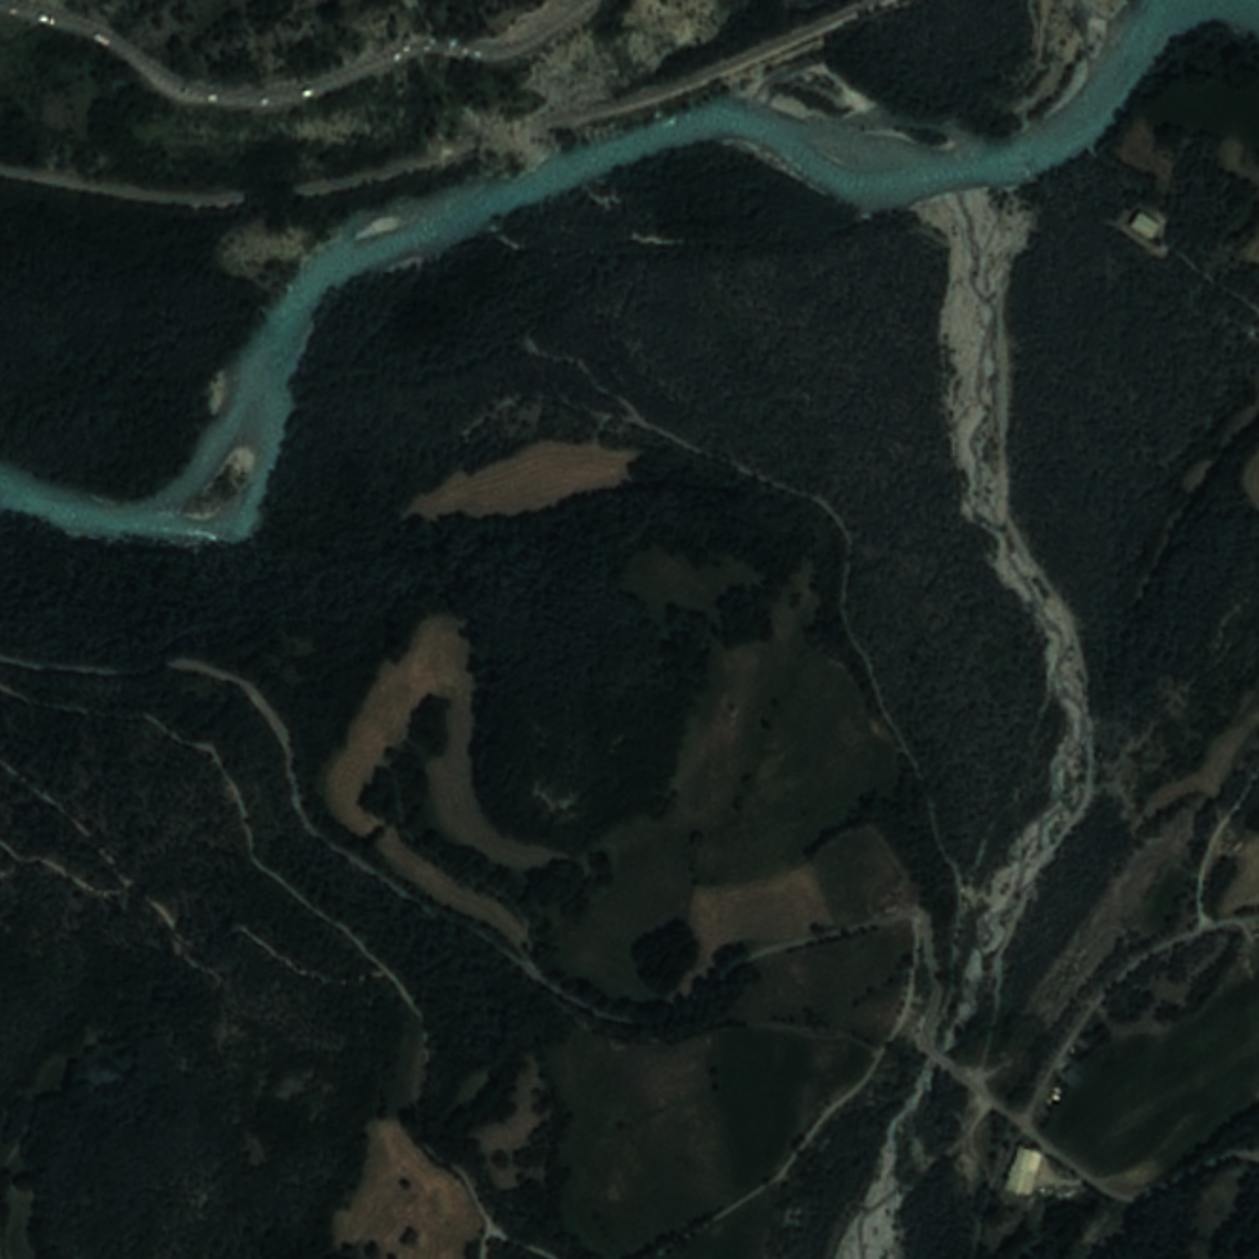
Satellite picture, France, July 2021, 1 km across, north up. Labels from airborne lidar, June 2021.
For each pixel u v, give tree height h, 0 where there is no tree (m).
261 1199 12
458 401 13
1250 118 0
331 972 10
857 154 0
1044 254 7
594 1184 0
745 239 9
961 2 7
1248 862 0
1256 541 8
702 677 14
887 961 0
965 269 0
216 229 6
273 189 9
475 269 14
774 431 8
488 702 18
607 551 9
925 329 7
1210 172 7
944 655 7
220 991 9
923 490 7
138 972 9
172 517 0
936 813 9
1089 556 8
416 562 18
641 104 0
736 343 8
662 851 0
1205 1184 13
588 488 0
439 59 8
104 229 10
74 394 19
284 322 0
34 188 13
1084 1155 0
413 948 8
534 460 0
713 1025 7
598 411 7
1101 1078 0
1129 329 9
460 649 0
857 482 7
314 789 14
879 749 0
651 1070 0
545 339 10
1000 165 0
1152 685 7
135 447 14
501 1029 15
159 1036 15
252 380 0
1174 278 8
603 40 11
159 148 8
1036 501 7
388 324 7
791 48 0
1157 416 7
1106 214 7
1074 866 5
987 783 6
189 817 6
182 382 13
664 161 8
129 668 11
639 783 11
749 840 0
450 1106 14
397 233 0
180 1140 13
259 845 8
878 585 6
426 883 0
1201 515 13
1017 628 10
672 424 6
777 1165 0
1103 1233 0
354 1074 12
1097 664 7
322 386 9
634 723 8
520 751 12
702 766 0
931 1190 7
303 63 7
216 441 0
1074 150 0
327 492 13
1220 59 11
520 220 8
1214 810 11
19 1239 0
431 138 10
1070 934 7
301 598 13
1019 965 6
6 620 15
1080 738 0
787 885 0
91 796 11
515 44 0
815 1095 0
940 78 10
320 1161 10
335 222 7
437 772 0
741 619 13
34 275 13
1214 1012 0
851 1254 0
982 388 0
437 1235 0
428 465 14
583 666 14
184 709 8
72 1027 12
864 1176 7
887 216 7
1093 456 8
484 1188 7
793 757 0
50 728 9
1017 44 6
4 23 0
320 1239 15
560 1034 12
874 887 0
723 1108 0
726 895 0
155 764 11
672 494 20
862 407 6
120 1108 18
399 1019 13
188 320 13
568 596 11
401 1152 0
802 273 8
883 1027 0
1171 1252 16
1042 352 7
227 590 15
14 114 12
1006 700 7
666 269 9
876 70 12
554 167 0
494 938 11
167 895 10
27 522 16
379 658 17
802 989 0
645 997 0
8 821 9
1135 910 0
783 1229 6
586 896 15
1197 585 13
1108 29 0
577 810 7
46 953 7
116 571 14
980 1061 0
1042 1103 0
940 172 0
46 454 11
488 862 15
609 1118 0
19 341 19
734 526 12
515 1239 11
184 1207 6
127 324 15
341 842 13
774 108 0
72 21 0
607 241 6
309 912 5
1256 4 0
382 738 0
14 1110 11
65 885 11
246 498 0
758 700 0
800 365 6
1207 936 6
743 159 8
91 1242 8
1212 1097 0
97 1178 12
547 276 10
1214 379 6
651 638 16
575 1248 7
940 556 6
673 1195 0
